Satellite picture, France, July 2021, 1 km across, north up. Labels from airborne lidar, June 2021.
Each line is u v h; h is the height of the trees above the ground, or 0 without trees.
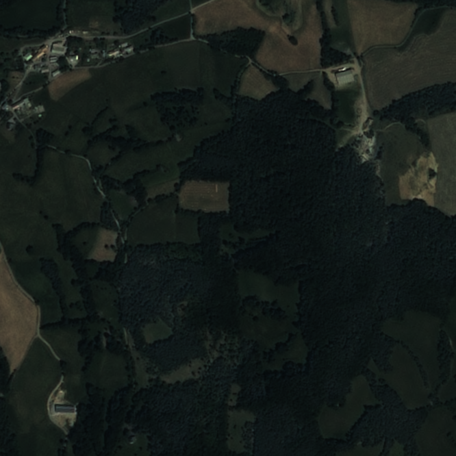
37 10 0
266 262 27
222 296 26
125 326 12
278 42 0
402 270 17
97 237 0
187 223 0
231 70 0
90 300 20
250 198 25
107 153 0
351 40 0
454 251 20
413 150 0
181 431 16
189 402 12
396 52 0
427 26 0
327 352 22
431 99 10
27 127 7
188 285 6
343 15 0
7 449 17
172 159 0
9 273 0
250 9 0
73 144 0
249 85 0
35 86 0
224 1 0
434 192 0
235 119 14
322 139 19
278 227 19
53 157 0
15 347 0
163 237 0
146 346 15
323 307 22
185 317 11
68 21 10
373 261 19
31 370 0
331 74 0
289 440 11
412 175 0
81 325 10
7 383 19
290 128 21
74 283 16
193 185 0
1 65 13
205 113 0
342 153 19
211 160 20
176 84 0
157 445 19
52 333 0
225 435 8
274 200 26
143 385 0
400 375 0
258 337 0
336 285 23
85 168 0
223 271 22
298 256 26
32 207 0
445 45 0
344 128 0
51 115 0
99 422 22
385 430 8
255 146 20
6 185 0
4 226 0
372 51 0
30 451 0
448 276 21
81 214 0
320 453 22
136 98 0
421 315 0
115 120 10
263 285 0
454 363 0
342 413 0
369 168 9
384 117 12
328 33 14
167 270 7
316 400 16
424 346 0
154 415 19
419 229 20
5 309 0
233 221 18
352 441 14
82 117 0
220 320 21
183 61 0
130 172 0
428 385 9
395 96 0
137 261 11
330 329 25
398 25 0
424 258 20
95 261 13
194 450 15
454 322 0
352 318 20
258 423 14
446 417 0
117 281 12
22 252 0
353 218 18
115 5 12
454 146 0
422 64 0
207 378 13
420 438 0
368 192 16
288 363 15
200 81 0
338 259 19
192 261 17
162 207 0
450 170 0
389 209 13
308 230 27
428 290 17
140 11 10
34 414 0
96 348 20
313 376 28
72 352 0
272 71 8
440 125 0
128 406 18
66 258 13
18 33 6
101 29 0
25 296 0
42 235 0
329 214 22
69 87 0
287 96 21
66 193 0
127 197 0
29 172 0
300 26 0
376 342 20
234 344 6
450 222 16
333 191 20
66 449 9
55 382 0
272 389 29
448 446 0
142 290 13
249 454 8
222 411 7
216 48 14
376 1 0
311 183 23
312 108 24
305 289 26
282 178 20
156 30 10
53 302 0
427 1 12
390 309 14
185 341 14
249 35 6
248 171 17
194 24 11
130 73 0
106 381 0
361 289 27
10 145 0
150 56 0
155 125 0
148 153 0
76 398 0
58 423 0
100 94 0
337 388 14
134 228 0
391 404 10
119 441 9
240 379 18
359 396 0
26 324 0
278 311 21
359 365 18
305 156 19
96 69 0
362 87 0
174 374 0
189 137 0
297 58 0
